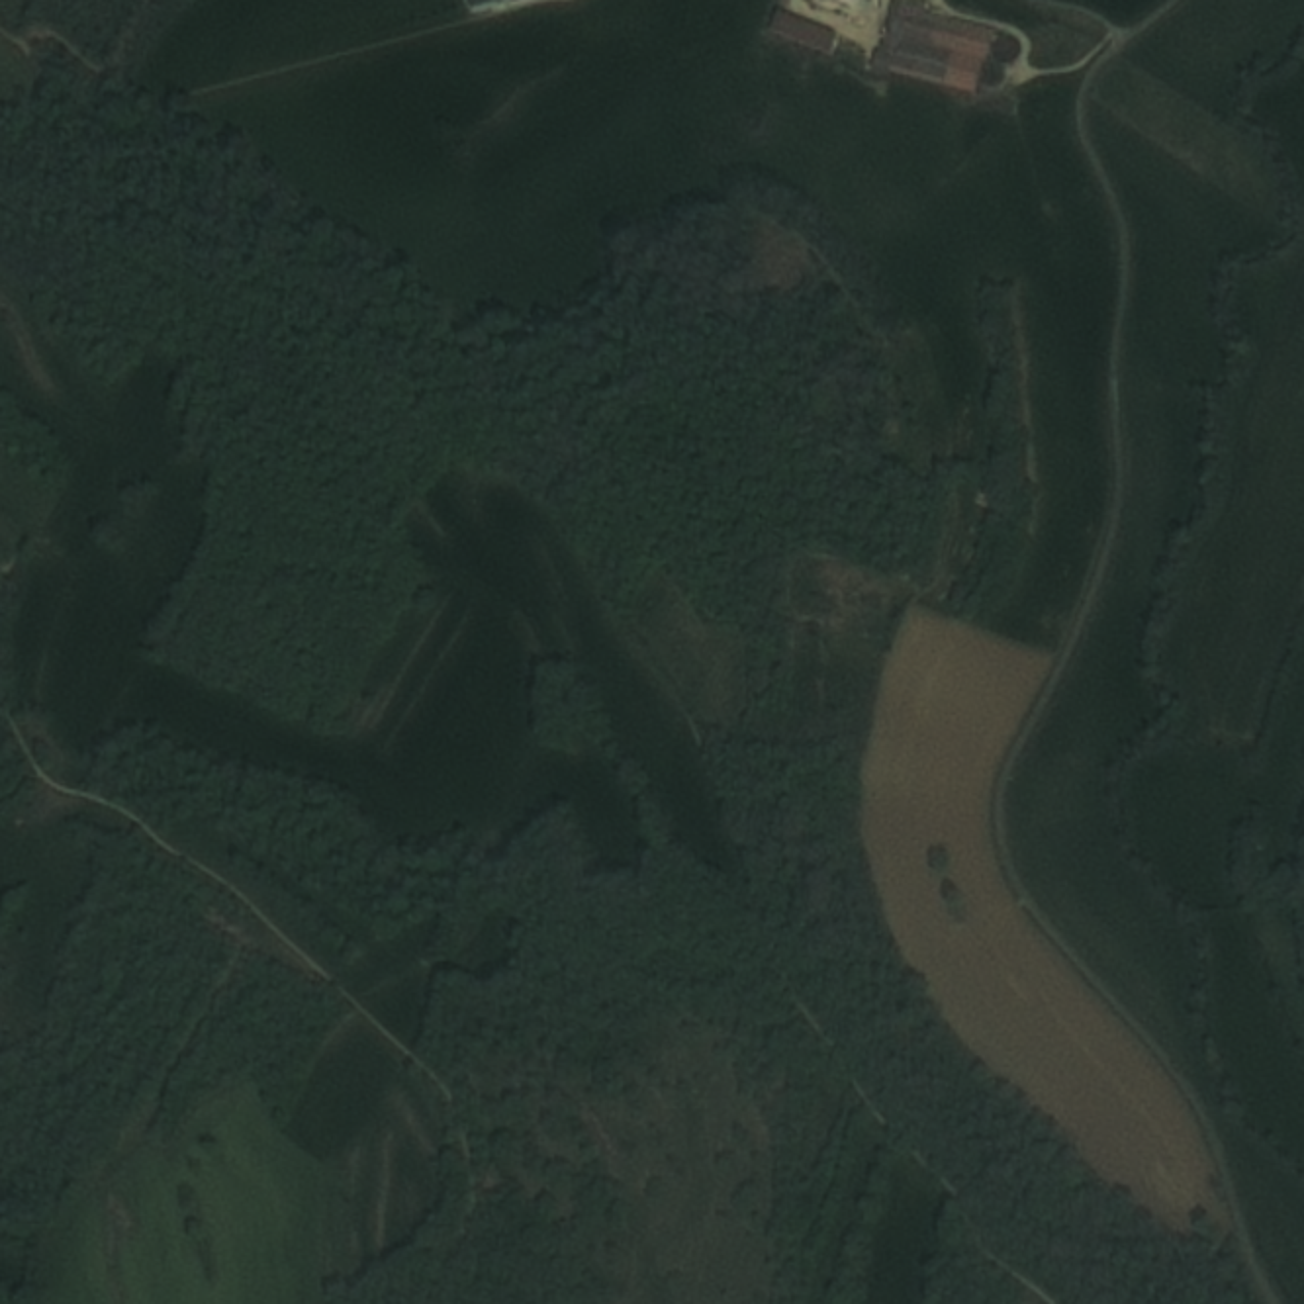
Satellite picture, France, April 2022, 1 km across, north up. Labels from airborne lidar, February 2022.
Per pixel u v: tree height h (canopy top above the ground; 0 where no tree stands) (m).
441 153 0
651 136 0
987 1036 0
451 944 16
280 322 15
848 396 32
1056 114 0
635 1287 0
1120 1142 0
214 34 0
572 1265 11
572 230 0
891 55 0
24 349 0
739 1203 11
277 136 0
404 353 21
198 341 19
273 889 15
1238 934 0
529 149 0
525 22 0
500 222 0
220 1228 0
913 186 0
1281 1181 0
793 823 30
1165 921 0
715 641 0
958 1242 15
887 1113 15
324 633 15
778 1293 10
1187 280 0
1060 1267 16
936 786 0
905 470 21
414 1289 13
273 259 20
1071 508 0
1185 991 0
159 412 0
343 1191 0
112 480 0
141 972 11
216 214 26
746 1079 11
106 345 15
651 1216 0
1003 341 11
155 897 14
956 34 0
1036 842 0
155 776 18
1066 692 0
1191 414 0
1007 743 0
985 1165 8
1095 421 0
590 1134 9
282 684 16
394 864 20
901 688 0
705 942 18
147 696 0
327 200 0
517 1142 14
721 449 15
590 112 0
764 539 17
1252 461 0
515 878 23
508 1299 15
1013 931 0
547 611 0
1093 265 0
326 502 17
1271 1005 0
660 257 29
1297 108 0
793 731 8
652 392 20
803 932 26
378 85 0
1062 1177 23
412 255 0
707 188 0
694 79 0
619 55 0
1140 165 0
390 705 0
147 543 0
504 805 0
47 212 16
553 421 22
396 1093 0
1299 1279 0
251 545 19
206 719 0
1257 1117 0
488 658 0
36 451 18
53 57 27
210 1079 16
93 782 11
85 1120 18
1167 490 0
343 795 15
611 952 21
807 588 0
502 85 0
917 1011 22
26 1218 22
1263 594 0
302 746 0
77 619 0
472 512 0
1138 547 0
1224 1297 21
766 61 0
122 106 27
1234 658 0
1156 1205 0
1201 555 0
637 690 0
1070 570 0
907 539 18
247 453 17
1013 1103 10
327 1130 0
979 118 0
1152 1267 18
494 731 0
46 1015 9
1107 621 0
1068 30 0
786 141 0
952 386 0
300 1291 0
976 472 16
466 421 18
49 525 0
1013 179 0
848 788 23
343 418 16
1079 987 0
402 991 0
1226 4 0
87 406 0
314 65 0
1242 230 0
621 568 15
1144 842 0
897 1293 0
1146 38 0
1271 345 0
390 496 10
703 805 0
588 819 0
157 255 21
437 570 0
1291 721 0
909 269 0
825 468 23
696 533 13
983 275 0
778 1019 13
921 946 0
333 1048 0
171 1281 0
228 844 0
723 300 21
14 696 14
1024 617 0
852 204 0
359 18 0
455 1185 17
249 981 10
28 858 0
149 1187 0
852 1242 18
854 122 0
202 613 19
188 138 29
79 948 8
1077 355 0
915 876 0
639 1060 7
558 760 0
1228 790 0
